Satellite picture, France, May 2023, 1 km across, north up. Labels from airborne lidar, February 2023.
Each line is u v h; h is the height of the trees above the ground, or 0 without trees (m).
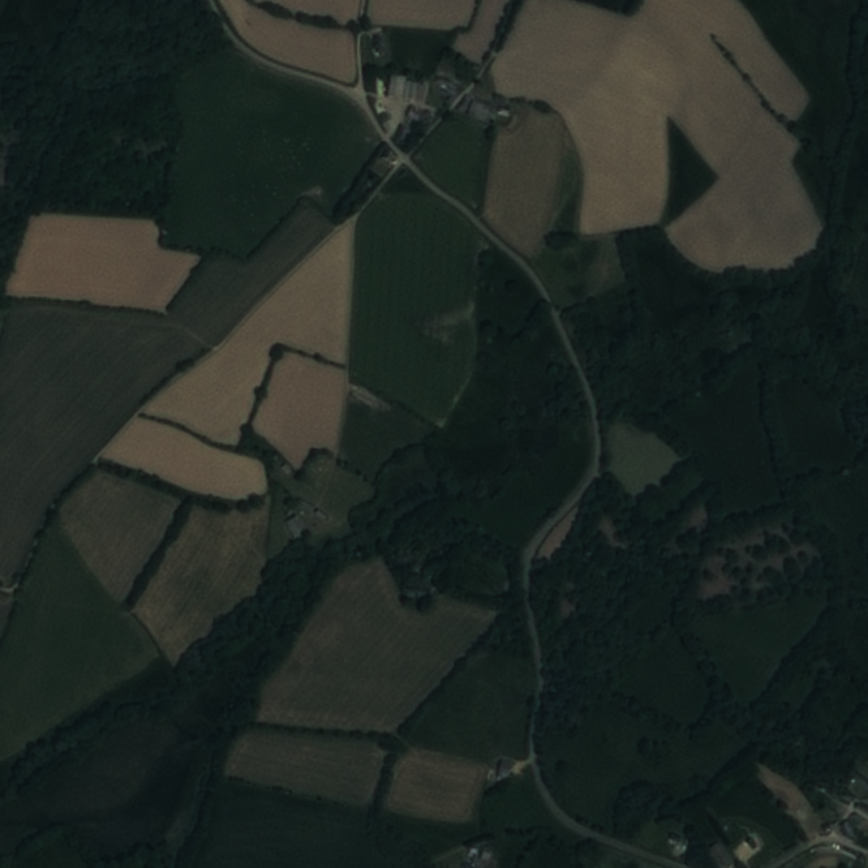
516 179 0
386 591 0
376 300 0
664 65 0
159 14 18
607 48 0
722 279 8
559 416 15
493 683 0
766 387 15
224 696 0
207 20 19
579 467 0
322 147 0
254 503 14
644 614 0
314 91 0
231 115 0
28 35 0
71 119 18
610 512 14
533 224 0
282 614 16
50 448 0
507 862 0
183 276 0
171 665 0
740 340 0
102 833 0
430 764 0
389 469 7
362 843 0
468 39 0
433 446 9
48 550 0
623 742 0
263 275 0
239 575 0
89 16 9
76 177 11
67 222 0
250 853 0
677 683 0
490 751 0
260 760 0
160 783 0
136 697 0
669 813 14
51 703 0
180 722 0
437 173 0
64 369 0
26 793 14
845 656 14
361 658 0
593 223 0
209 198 0
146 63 9
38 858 0
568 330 0
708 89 0
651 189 0
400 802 0
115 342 0
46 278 0
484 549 17
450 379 0
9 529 0
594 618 10
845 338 16
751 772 16
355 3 0
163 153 8
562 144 0
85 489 0
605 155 0
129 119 10
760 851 0
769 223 0
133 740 0
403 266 0
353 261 0
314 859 0
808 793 10
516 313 0
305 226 0
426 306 0
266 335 0
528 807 0
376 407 0
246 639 10
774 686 14
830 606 11
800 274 12
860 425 24
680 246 0
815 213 0
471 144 0
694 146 0
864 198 0
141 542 0
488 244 0
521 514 0
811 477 12
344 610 0
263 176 0
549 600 6
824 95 0
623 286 0
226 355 0
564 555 8
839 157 11
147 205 12
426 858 7
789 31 0
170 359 0
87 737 20
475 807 0
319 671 0
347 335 0
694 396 9
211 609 0
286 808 0
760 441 0
